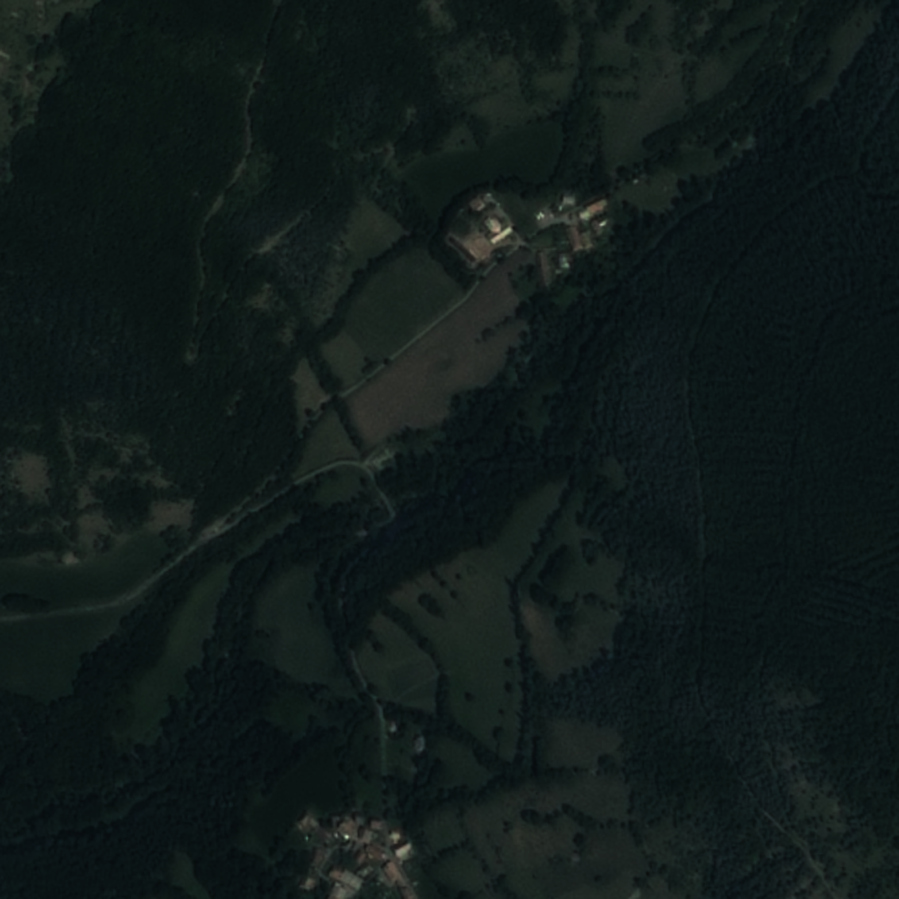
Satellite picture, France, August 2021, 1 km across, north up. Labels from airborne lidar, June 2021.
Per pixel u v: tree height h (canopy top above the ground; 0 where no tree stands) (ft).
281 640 0
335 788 0
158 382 32
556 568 58
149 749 74
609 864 0
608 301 51
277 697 65
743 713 46
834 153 58
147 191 56
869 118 45
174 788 50
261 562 68
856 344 46
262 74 24
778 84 33
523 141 0
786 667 33
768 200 56
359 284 49
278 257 19
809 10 39
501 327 25
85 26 28
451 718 55
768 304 43
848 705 31
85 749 60
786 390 42
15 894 40
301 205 41
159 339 51
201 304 38
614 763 22
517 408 65
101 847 103
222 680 55
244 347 18
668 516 45
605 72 43
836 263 45
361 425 0
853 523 37
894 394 45
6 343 44
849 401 44
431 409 0
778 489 37
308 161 41
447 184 0
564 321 71
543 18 43
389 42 45
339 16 38
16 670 0
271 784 47
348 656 47
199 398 43
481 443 76
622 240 54
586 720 19
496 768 64
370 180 27
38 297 34
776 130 62
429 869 21
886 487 45
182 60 30
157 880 55
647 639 53
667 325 50
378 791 0
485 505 104
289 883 49
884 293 51
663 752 34
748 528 35
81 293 37
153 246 61
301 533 73
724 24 30
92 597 0
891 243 67
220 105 53
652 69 0
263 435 58
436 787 52
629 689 40
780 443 25
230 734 81
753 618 34
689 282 53
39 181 62
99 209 52
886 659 28
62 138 71
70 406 30
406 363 0
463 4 23
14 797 59
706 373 34
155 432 27
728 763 32
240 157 40
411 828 32
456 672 0
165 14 29
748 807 32
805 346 36
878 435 42
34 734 81
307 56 47
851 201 57
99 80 56
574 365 68
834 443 43
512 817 0
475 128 32
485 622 0
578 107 45
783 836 34
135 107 51
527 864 0
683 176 0
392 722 44
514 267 0
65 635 0
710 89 0
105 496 24
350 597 34
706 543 22
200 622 0
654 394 42
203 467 35
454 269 39
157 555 0
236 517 37
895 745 38
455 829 0
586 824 38
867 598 36
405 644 0
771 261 41
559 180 38
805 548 36
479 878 0
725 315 34
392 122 34
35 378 54
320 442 0
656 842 0
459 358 0
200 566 64
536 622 0
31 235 52
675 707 46
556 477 45
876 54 52
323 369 34
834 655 30
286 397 42
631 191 0
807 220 60
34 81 28
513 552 0
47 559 0
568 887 0
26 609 54
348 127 22
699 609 43
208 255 40
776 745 32
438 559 85
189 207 45
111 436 30
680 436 35
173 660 0
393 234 0
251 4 38
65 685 0
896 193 57
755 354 38
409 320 0
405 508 24
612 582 0
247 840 0
